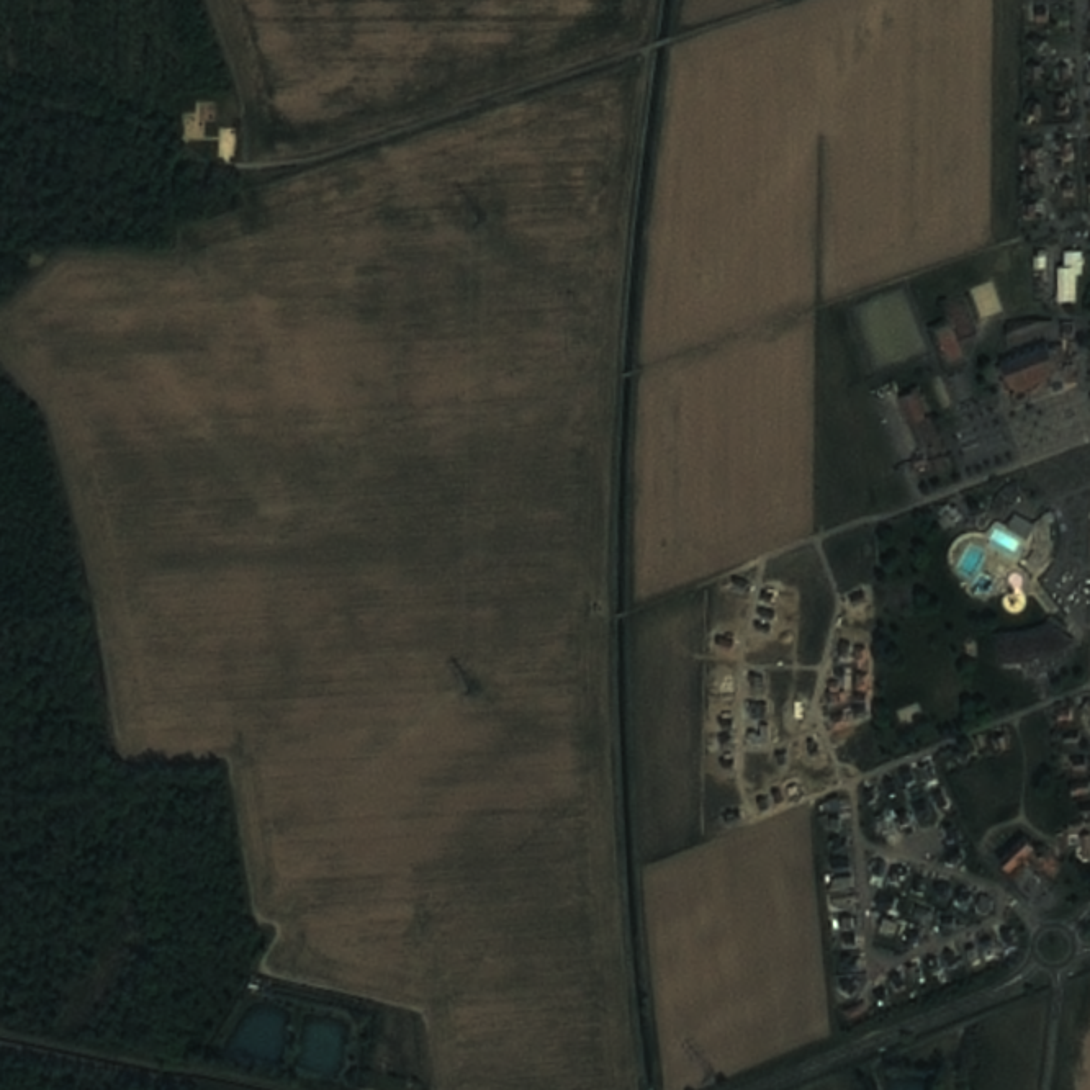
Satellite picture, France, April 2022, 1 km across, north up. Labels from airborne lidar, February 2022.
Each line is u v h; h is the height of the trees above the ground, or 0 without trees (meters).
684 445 0
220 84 15
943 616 0
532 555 0
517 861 0
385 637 0
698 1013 0
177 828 18
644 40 0
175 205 16
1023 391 0
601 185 0
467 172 0
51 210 17
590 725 0
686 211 0
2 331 0
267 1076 17
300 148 0
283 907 0
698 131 0
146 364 0
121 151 19
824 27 0
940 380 0
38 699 17
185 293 0
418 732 0
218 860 19
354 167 0
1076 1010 0
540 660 0
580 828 0
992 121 0
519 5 0
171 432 0
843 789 0
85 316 0
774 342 0
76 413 0
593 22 0
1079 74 0
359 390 0
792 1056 0
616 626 0
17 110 15
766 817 0
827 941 0
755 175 0
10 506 10
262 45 0
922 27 0
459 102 0
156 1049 16
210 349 0
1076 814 0
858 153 0
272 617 0
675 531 0
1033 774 0
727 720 0
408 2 0
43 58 11
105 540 0
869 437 0
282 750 0
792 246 0
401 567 0
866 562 0
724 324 0
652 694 0
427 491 0
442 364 0
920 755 0
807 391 0
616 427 0
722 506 0
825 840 0
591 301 0
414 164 0
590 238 0
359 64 0
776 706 0
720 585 0
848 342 0
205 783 18
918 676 0
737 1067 0
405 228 0
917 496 0
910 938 0
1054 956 0
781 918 0
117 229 11
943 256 0
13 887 17
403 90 0
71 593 12
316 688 0
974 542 0
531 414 0
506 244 0
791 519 0
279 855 0
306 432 0
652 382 0
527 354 0
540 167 0
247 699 0
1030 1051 0
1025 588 0
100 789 22
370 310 0
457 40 0
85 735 17
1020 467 0
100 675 10
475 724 0
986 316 0
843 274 0
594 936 0
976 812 0
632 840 0
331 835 0
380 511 0
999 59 0
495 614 0
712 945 0
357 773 0
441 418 0
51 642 17
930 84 0
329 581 0
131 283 0
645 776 0
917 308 0
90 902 18
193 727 0
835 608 0
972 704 11
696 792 0
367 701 0
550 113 0
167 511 0
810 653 0
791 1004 0
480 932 0
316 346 0
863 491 0
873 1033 0
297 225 0
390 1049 0
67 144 17
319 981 0
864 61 0
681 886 0
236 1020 0
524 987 0
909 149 0
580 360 0
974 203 0
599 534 0
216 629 0
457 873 0
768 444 0
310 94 0
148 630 0
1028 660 0
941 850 0
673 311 0
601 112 0
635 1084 0
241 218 0
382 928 0
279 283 0
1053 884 0
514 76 0
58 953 13
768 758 0
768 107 0
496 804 0
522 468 0
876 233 0
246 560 0
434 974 0
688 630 0
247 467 0
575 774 0
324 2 0
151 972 21
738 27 0
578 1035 0
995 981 0
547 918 0
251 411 0
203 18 17
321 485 0
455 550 0
